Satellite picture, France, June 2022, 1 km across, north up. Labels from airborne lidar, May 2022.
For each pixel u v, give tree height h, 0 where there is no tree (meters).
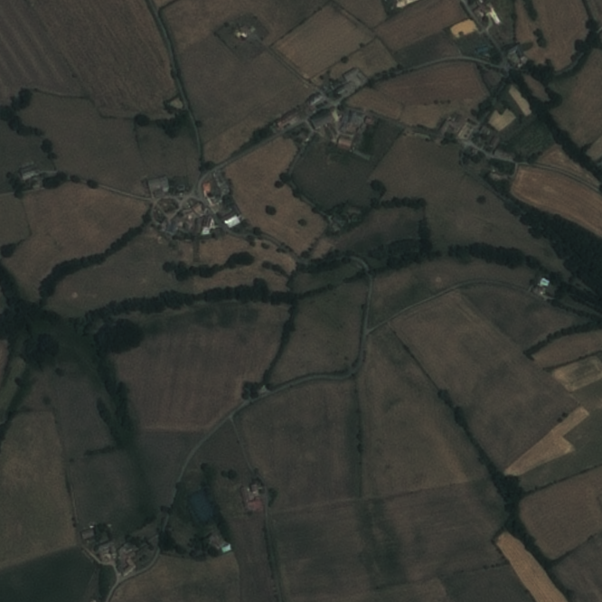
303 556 0
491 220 0
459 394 0
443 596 0
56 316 13
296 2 0
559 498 0
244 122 0
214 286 0
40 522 0
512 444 0
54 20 0
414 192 0
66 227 0
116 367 0
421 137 0
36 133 11
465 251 22
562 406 0
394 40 0
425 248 24
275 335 0
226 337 0
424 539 0
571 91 0
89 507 0
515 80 14
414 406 0
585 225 0
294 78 0
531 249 0
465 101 0
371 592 0
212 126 0
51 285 21
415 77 0
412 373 0
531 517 0
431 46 0
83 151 0
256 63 0
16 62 0
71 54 0
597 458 0
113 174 0
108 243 0
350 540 0
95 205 0
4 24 0
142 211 0
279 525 0
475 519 0
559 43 0
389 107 0
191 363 0
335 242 0
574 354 0
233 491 0
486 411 0
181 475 0
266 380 10
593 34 14
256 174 0
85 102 0
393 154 0
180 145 0
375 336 0
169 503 0
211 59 0
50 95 0
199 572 0
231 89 0
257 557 0
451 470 0
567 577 0
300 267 12
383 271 6
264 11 0
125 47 0
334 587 0
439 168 0
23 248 0
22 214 0
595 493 0
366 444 0
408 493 0
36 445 0
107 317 16
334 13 0
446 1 0
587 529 0
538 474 0
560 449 0
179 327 0
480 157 12
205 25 0
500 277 0
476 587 0
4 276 16
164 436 0
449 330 0
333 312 0
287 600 0
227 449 0
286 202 0
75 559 0
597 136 0
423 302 0
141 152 0
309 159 0
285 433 0
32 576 0
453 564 0
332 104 0
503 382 0
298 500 0
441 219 0
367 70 0
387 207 10
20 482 0
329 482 0
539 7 0
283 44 0
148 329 0
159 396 0
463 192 0
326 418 0
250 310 0
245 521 0
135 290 0
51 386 0
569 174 0
